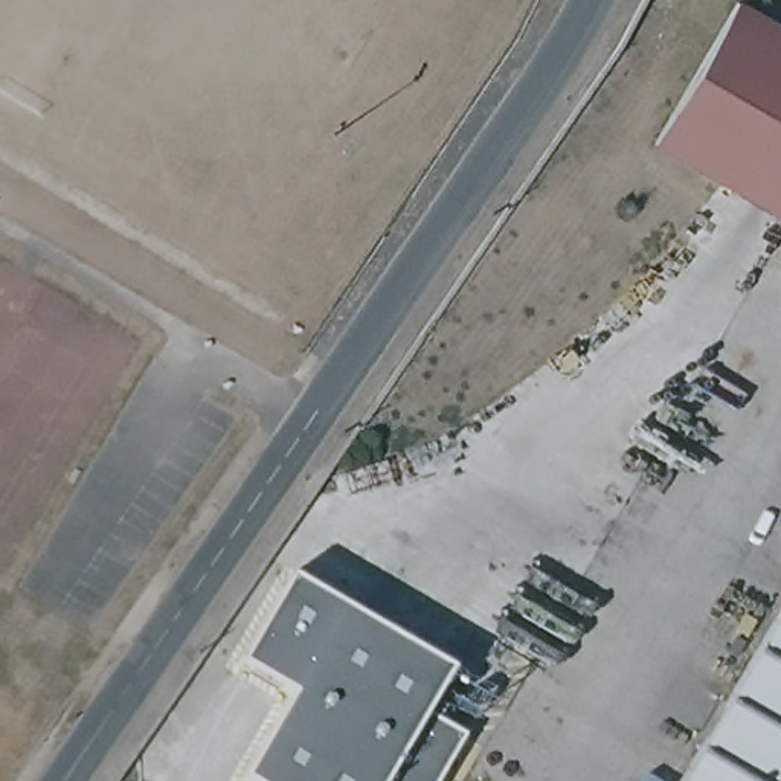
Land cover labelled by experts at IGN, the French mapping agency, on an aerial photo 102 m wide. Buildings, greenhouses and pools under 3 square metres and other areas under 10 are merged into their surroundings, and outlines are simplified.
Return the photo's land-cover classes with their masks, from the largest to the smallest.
<instances>
[{"label":"impervious surface","instance_id":"1","mask_svg":"<svg viewBox=\"0 0 781 781\"><path fill-rule=\"evenodd\" d=\"M647 0H531L509 46L503 49L506 61L494 64V70L485 76L479 88L482 98L448 137L445 153L433 156L430 165L418 174L415 186L394 211L384 229V241L363 256L360 268L345 284V290L339 293V299L320 323L299 320V329L311 354L296 369V381L290 375L268 372L265 366L235 354L226 345L207 342V333L186 326L180 317L156 308L153 320L165 326L168 345L153 360L134 409L119 424L116 439L101 455L92 476L82 482L70 513L49 540L43 558L34 564L24 598L49 607L70 625H88L113 598L116 586L137 564V555L146 549L159 525L174 513L177 500L183 497L195 473L207 464L217 442L229 430V421H250L253 433L226 470V476L220 479V485L211 491L204 506L198 509L189 531L177 540L174 549H168L162 570L134 601V607L128 610L125 622L116 628L104 653L88 668H82L73 696H67L64 702H52L46 708L43 726L49 732L24 760L21 775L27 781H241L235 775V766L241 754L250 747L268 708L259 689H247L232 677L229 656L235 647L244 653L247 647H259L265 628L272 625L302 567L461 659L455 683L445 689L439 705L452 720L464 723L470 735L458 750L445 781H683L693 772L705 735H711L720 723L738 680L744 677L754 659V644L772 625L781 601V226L772 220V214L750 207L744 198L720 186L711 195V220H705L689 241V250L696 256L680 278H665L662 302H644L641 317H635L625 333L610 336L607 329H601L589 339H577L574 354L552 360L549 366L537 369L531 378L516 384V406L488 418L482 430H461L458 436H439L433 442H424L406 448L391 464L381 461L360 470H348L342 458L360 436V430L378 433V452L387 455L391 427L369 424L375 406L394 391L403 366L421 348L424 333H430V323L439 320L464 278L470 275V268L476 265V259L491 247L494 235L506 220V211H519L531 201L525 189L543 168V162L552 156L564 131L574 125L577 113L592 98L610 64L625 49ZM140 342L119 323L85 311L76 293L58 290L46 278L24 275L9 256L0 253V574L9 567L15 546L34 525L40 506L52 494L58 476L67 470L76 445L92 427L95 415L101 412L113 381L128 366Z\"/></svg>","mask_w":781,"mask_h":781},{"label":"herbaceous vegetation","instance_id":"2","mask_svg":"<svg viewBox=\"0 0 781 781\"><path fill-rule=\"evenodd\" d=\"M531 0H0V146L37 162L55 180L92 195L98 204L125 217L131 226L186 250L192 259L204 262L211 275L238 284L244 293L256 299H265L281 314V320H265L247 311L244 305H235L226 293L201 284L186 268L113 232L76 204L58 198L55 192L43 189L31 177L0 162V253L9 256L24 275L46 278L58 290L76 293L85 311L119 323L140 342L128 366L113 381L101 412L95 415L92 427L76 445L67 470L58 476L52 494L40 506L34 525L15 546L9 567L0 574V781H27L21 775L24 760L49 732L43 726L46 708L52 702H64L67 696H73L82 668H88L104 653L116 628L125 622L128 610L134 607V601L162 570L168 549H174L177 540L189 531L198 509L204 506L211 491L220 485V479L226 476V470L253 433L250 421H229V430L217 442L207 464L195 473L183 497L177 500L174 513L159 525L146 549L137 555V564L116 586L113 598L88 625H70L49 607L24 598L34 564L43 558L49 540L70 513L82 482L92 476L101 455L116 439L119 424L134 409L153 360L168 345L165 326L153 320L156 308L180 317L186 326L207 333V342L226 345L235 354L265 366L268 372L290 375L296 381V369L311 354L299 329V320L320 323L339 299V293L345 290V284L360 268L363 256L384 241V229L394 211L415 186L418 174L430 165L433 156L445 153L448 137L482 98L479 88L485 76L494 70V64L506 61L503 49L509 46ZM744 0H647L625 49L610 64L592 98L577 113L574 125L564 131L552 156L543 162V168L525 189L531 201L519 211H506V220L494 235L491 247L476 259V265L470 268V275L464 278L439 320L430 323V333H424L421 348L403 366L394 391L375 406L369 424L391 427L424 430V442H433L439 436H458L461 430H482L488 418L516 406V384L531 378L537 369L549 366L552 360L574 354L577 339H589L601 329H607L610 336L625 333L635 317H641L644 302H662L665 278H680L696 256L689 250V241L705 220H711V195L720 186L714 180H705L696 165L689 168L671 159L668 149L656 140L674 104L680 101L686 82L693 79L699 61L705 58L717 27L732 12V6L741 9Z\"/></svg>","mask_w":781,"mask_h":781},{"label":"building","instance_id":"3","mask_svg":"<svg viewBox=\"0 0 781 781\"><path fill-rule=\"evenodd\" d=\"M668 149L671 159L689 168L696 165L705 180H714L720 186L744 198L750 207L772 214V220L781 226V0H744L741 9L732 6V12L717 27L705 58L699 61L693 79L686 82L680 101L674 104L656 140ZM461 659L302 567L272 625L265 628L259 647H247L244 653L235 647L229 656L232 677L247 689H259L268 708L250 747L241 754L235 766V775L241 781H445L458 750L470 735L464 723L452 720L439 705L445 689L455 683ZM683 781H781V601L772 625L754 644V659L744 677L738 680L720 723L711 735H705L693 772Z\"/></svg>","mask_w":781,"mask_h":781},{"label":"pervious surface","instance_id":"4","mask_svg":"<svg viewBox=\"0 0 781 781\"><path fill-rule=\"evenodd\" d=\"M0 162L31 177L43 189L55 192L58 198L76 204L113 232L186 268L201 284L226 293L235 305H244L247 311L265 320H281V314L265 299H256L244 293L238 284L211 275L204 262L192 259L186 250L131 226L125 217L98 204L92 195L55 180L37 162L0 146Z\"/></svg>","mask_w":781,"mask_h":781},{"label":"deciduous trees","instance_id":"5","mask_svg":"<svg viewBox=\"0 0 781 781\"><path fill-rule=\"evenodd\" d=\"M424 430L391 427L387 455L378 452V433L360 430V436L342 458L348 470H360L381 461L391 464L406 448L424 442Z\"/></svg>","mask_w":781,"mask_h":781}]
</instances>
